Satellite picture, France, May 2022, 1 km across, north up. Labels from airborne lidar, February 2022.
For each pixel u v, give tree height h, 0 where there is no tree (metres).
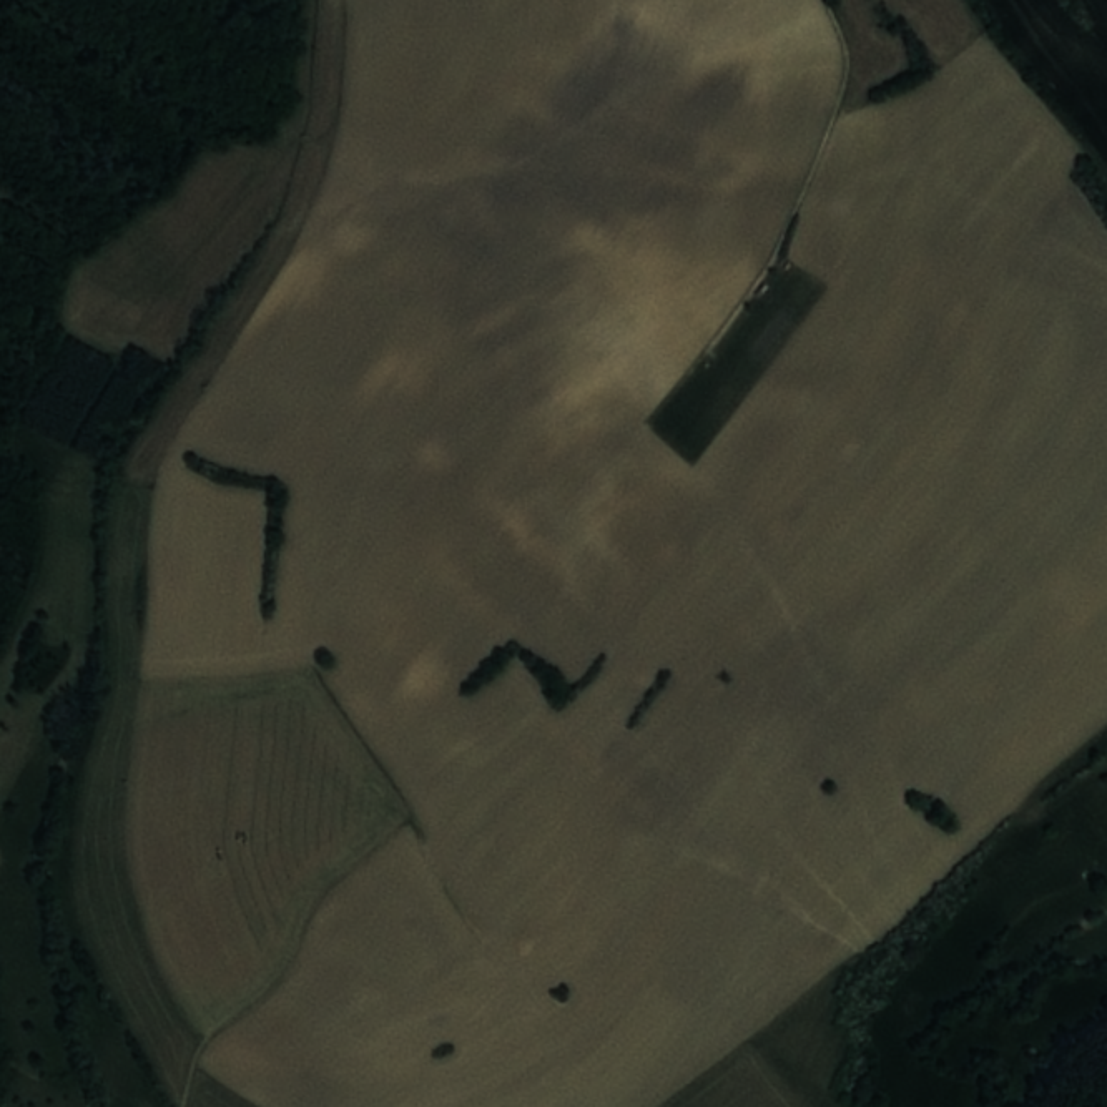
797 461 0
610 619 0
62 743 18
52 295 19
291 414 0
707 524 0
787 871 0
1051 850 0
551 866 0
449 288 0
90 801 0
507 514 0
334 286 0
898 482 0
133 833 0
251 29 32
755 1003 0
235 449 0
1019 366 0
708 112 0
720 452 0
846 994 6
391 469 0
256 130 15
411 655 0
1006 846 0
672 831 0
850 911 0
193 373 0
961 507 0
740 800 0
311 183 0
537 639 0
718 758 0
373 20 0
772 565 0
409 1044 0
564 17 0
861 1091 16
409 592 0
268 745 0
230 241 0
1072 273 0
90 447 13
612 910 0
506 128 0
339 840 0
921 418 0
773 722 0
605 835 0
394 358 0
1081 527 0
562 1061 0
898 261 0
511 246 0
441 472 0
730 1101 0
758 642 0
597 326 0
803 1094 0
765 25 0
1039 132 0
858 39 0
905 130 0
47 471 0
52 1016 0
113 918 0
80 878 0
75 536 0
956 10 0
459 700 0
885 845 0
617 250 0
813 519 0
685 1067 0
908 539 0
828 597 0
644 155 0
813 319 0
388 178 0
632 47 0
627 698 0
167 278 0
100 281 0
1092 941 0
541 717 0
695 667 0
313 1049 0
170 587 0
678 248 0
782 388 0
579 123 0
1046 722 0
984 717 0
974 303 0
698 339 0
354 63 0
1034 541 0
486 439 0
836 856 0
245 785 0
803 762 0
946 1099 0
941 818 17
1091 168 9
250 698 0
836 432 0
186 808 0
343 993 0
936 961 0
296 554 0
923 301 0
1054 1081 25
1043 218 0
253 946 0
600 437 0
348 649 0
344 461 0
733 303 0
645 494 0
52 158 27
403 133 0
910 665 0
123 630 0
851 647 0
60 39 25
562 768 0
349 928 0
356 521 0
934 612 0
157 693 0
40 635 12
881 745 0
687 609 0
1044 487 0
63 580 0
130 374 14
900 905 0
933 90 0
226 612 0
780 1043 0
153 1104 0
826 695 0
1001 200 0
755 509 0
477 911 0
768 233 0
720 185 0
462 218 0
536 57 0
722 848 0
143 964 0
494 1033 0
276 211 0
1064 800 0
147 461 0
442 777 0
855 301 0
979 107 0
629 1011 0
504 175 0
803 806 0
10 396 21
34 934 0
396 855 0
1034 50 0
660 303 0
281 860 0
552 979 0
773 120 0
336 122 0
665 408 0
